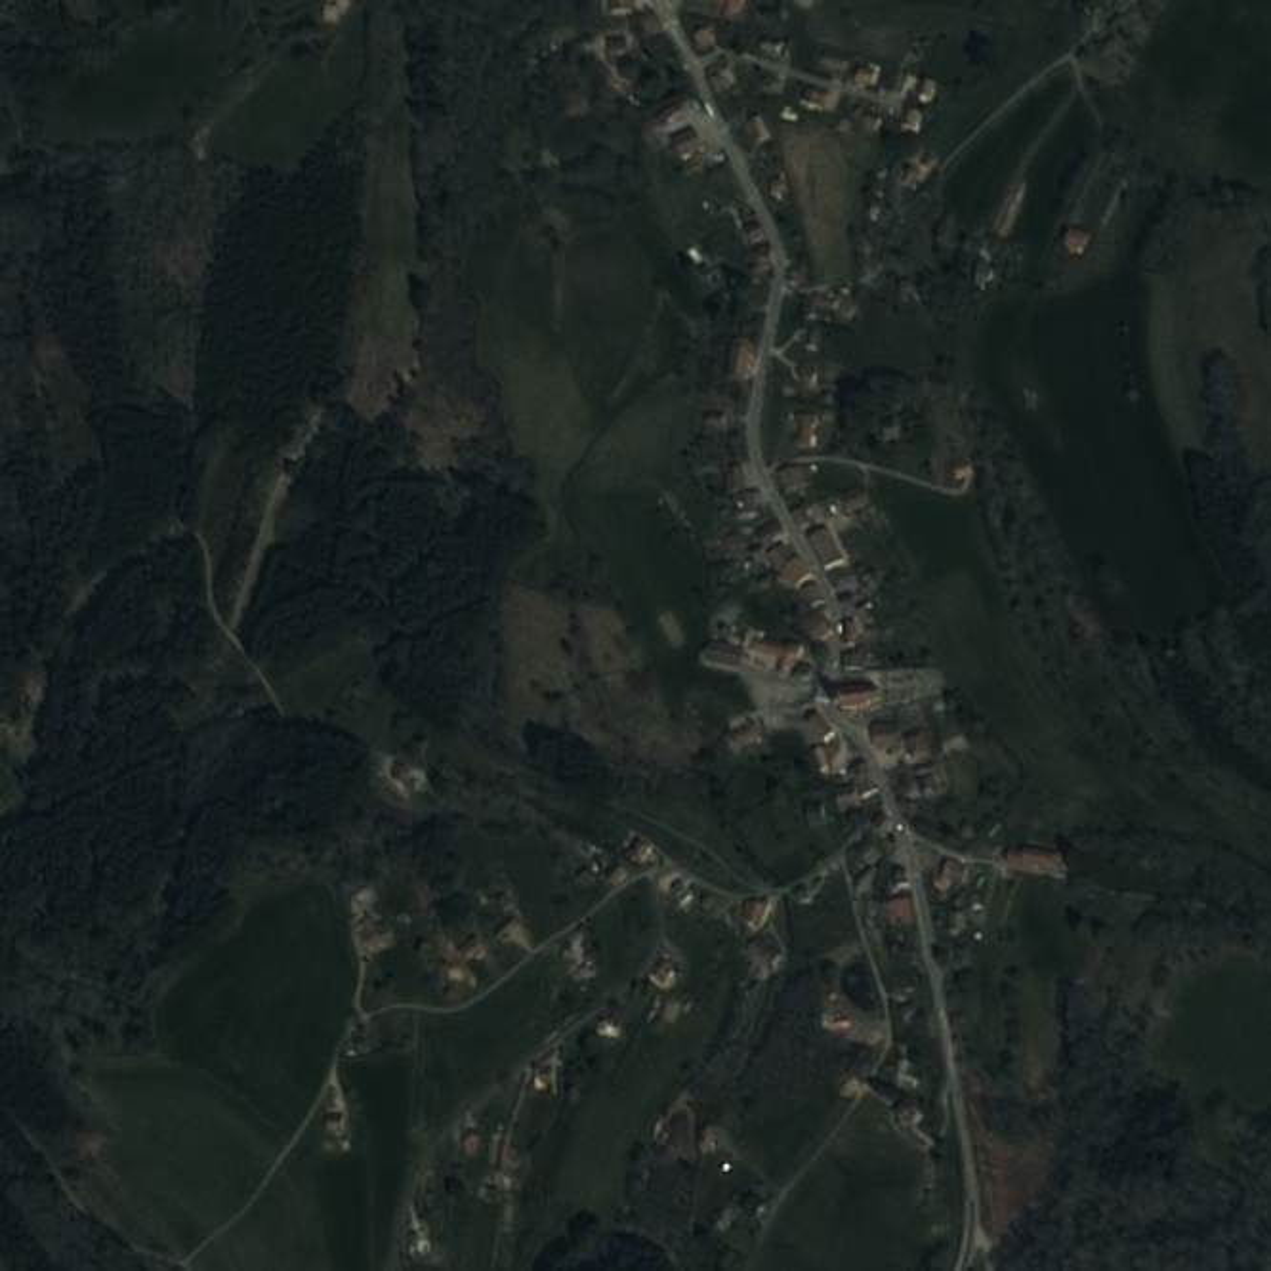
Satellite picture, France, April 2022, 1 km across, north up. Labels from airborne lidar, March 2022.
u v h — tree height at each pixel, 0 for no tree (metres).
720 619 0
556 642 0
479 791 19
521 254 0
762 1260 0
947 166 0
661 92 17
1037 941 0
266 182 11
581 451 0
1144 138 0
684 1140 18
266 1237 0
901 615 7
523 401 0
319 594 13
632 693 0
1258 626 13
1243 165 0
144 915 29
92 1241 34
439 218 27
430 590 34
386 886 23
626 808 0
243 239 11
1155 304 0
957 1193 0
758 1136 0
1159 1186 25
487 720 37
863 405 28
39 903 28
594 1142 0
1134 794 0
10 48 22
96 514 30
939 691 0
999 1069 0
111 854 33
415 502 32
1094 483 0
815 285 0
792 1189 0
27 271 33
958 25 0
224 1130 0
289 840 25
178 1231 0
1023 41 0
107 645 35
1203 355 0
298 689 0
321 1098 0
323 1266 0
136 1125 0
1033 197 0
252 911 0
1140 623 0
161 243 12
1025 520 22
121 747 30
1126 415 0
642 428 0
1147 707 19
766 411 0
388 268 0
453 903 20
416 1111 0
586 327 0
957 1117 0
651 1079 0
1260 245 0
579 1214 0
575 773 35
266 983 0
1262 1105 0
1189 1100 8
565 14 13
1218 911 9
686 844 0
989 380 0
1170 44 0
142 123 0
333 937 0
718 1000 0
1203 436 0
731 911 0
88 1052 30
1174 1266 35
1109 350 0
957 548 0
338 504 18
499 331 0
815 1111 0
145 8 0
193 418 17
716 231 0
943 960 16
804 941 0
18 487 33
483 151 22
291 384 10
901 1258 0
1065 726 0
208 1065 0
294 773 21
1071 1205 26
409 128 0
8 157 19
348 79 0
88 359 35
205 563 22
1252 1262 29
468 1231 0
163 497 20
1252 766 14
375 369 0
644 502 0
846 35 0
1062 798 0
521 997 0
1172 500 0
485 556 30
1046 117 0
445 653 32
